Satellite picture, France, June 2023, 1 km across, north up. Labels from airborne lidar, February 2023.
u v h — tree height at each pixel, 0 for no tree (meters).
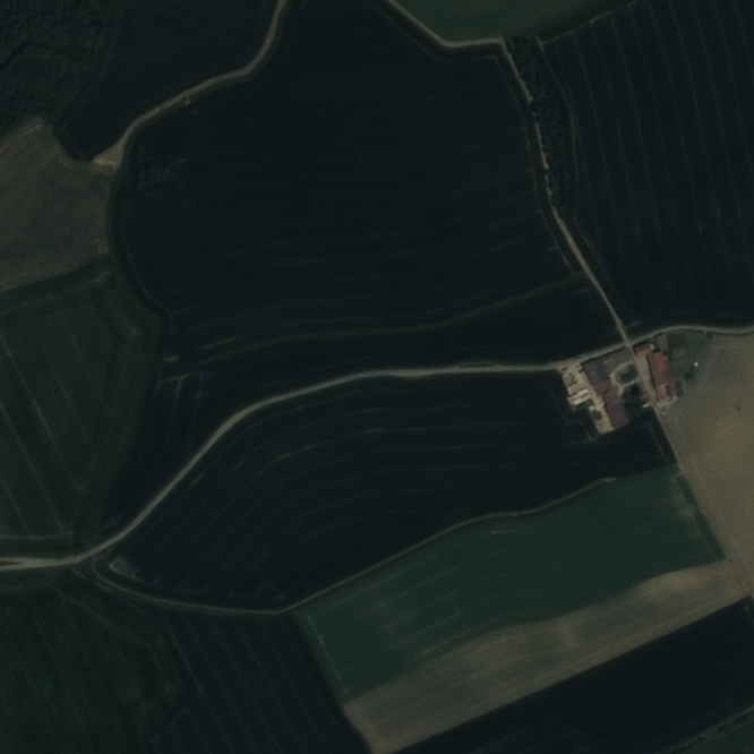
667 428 0
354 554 0
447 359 0
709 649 0
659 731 0
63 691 0
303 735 0
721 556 0
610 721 0
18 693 0
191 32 0
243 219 0
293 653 0
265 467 0
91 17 8
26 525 0
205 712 0
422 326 0
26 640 0
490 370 0
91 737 0
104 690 0
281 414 0
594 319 0
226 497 0
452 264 0
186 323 0
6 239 0
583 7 0
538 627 0
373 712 0
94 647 0
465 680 0
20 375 0
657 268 0
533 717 0
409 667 0
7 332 0
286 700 0
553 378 0
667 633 0
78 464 0
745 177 0
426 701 0
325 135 0
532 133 0
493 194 0
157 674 0
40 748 0
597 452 0
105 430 0
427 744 0
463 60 0
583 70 0
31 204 0
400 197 0
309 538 0
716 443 0
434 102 0
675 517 0
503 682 0
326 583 0
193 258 0
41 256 0
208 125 0
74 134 0
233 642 0
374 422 0
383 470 0
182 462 0
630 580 0
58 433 0
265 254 0
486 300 0
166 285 0
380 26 0
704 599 0
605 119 0
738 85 0
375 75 0
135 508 0
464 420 0
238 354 0
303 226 0
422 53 0
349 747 0
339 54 0
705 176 0
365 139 0
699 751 0
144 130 0
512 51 17
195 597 0
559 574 0
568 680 0
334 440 0
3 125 8
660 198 0
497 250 0
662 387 0
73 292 0
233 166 0
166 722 0
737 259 0
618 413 0
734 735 0
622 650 0
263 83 0
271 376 0
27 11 16
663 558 0
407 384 0
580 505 0
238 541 0
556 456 0
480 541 0
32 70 16
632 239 0
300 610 0
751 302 0
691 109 0
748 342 0
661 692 0
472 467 0
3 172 0
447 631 0
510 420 0
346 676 0
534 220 0
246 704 0
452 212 0
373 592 0
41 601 0
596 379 0
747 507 0
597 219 0
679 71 0
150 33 0
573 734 0
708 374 0
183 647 0
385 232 0
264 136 0
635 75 0
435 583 0
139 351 0
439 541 0
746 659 0
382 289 0
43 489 0
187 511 0
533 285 0
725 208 0
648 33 0
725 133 0
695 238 0
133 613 0
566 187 16
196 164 0
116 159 0
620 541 0
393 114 0
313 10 0
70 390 0
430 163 0
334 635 0
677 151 0
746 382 0
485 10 0
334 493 0
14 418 0
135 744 0
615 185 0
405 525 0
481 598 0
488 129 0
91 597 0
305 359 0
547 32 0
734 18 0
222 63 0
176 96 0
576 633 0
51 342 0
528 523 0
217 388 0
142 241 0
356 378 0
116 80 0
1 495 0
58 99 12
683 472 0
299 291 0
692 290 0
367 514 0
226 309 0
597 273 0
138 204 0
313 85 0
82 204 0
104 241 0
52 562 0
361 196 0
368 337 0
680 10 0
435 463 0
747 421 0
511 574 0
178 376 0
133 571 0
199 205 0
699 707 0
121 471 0
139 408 0
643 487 0
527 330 0
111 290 0
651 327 0
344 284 0
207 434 0
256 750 0
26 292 0
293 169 0
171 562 0
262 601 0
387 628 0
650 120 0
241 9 0
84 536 0
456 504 0
